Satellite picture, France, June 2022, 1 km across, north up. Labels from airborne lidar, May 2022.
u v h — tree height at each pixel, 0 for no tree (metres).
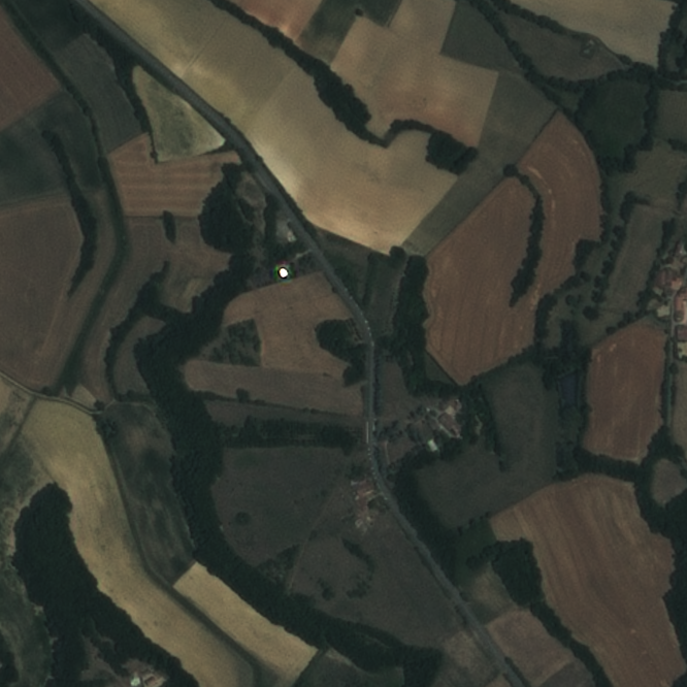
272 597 15
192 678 14
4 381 0
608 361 0
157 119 0
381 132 0
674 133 0
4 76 0
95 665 0
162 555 0
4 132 0
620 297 0
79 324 0
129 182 0
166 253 0
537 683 0
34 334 0
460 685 0
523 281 16
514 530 0
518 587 12
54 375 0
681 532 18
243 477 0
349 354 10
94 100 0
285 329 0
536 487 0
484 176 0
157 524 0
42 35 0
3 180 0
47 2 0
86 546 0
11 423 0
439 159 13
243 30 0
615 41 0
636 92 0
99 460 0
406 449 0
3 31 0
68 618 18
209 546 16
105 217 0
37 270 0
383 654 15
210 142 0
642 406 0
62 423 0
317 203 0
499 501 0
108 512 0
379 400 18
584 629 0
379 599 0
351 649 18
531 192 7
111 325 0
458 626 0
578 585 0
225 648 0
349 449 10
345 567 0
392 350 11
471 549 0
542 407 0
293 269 7
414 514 13
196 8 0
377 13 0
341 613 0
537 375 0
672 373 7
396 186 0
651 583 0
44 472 0
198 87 0
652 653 0
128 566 0
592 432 0
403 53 0
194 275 0
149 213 0
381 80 0
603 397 0
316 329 6
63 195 0
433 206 0
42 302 0
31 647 0
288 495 0
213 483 8
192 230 0
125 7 0
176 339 20
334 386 0
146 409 0
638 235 0
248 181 0
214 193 12
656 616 0
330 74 20
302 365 0
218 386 0
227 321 0
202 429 15
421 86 0
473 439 17
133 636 19
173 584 0
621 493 0
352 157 0
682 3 12
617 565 0
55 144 14
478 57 0
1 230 0
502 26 14
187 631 0
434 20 0
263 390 0
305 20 0
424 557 6
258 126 0
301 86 0
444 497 0
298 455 0
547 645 0
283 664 0
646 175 0
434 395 13
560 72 0
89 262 18
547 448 0
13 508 0
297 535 0
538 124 0
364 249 0
